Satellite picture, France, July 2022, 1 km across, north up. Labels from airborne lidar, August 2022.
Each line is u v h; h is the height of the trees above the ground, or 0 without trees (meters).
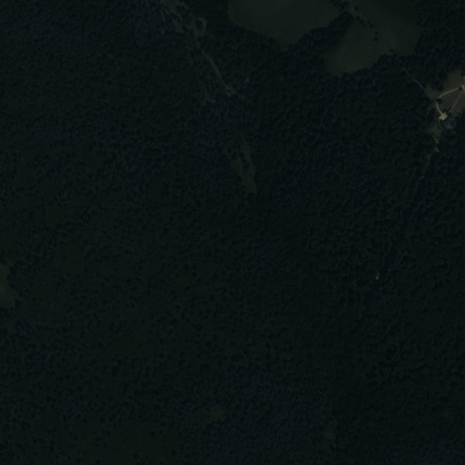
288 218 26
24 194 21
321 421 12
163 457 7
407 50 0
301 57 26
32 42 16
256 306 10
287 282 18
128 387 21
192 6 16
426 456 22
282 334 16
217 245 14
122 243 10
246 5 0
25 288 11
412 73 24
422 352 31
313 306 19
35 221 7
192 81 12
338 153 20
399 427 23
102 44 15
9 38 18
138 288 6
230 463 21
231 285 17
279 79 28
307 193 28
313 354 20
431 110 26
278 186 26
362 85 18
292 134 33
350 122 27
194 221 18
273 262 20
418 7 16
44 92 15
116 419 19
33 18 25
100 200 6
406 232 34
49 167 7
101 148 16
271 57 22
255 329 8
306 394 21
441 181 30
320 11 0
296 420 25
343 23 24
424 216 32
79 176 15
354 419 27
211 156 11
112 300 8
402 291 30
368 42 0
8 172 10
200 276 8
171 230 11
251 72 12
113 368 8
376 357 15
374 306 30
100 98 17
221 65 14
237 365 13
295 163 20
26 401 9
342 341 17
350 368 19
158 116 14
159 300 7
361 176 26
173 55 17
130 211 13
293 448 15
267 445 19
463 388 29
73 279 6
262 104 21
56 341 18
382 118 32
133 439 6
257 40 22
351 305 28
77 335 9
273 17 0
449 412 26
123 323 17
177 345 8
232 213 20
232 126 17
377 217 28
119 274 7
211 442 19
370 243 30
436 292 30
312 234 30
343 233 33
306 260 18
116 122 15
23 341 15
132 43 7
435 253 32
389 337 31
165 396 9
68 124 10
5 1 18
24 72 11
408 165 32
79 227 10
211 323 7
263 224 18
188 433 11
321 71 20
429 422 22
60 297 8
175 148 17
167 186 18
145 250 6
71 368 8
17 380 19
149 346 8
